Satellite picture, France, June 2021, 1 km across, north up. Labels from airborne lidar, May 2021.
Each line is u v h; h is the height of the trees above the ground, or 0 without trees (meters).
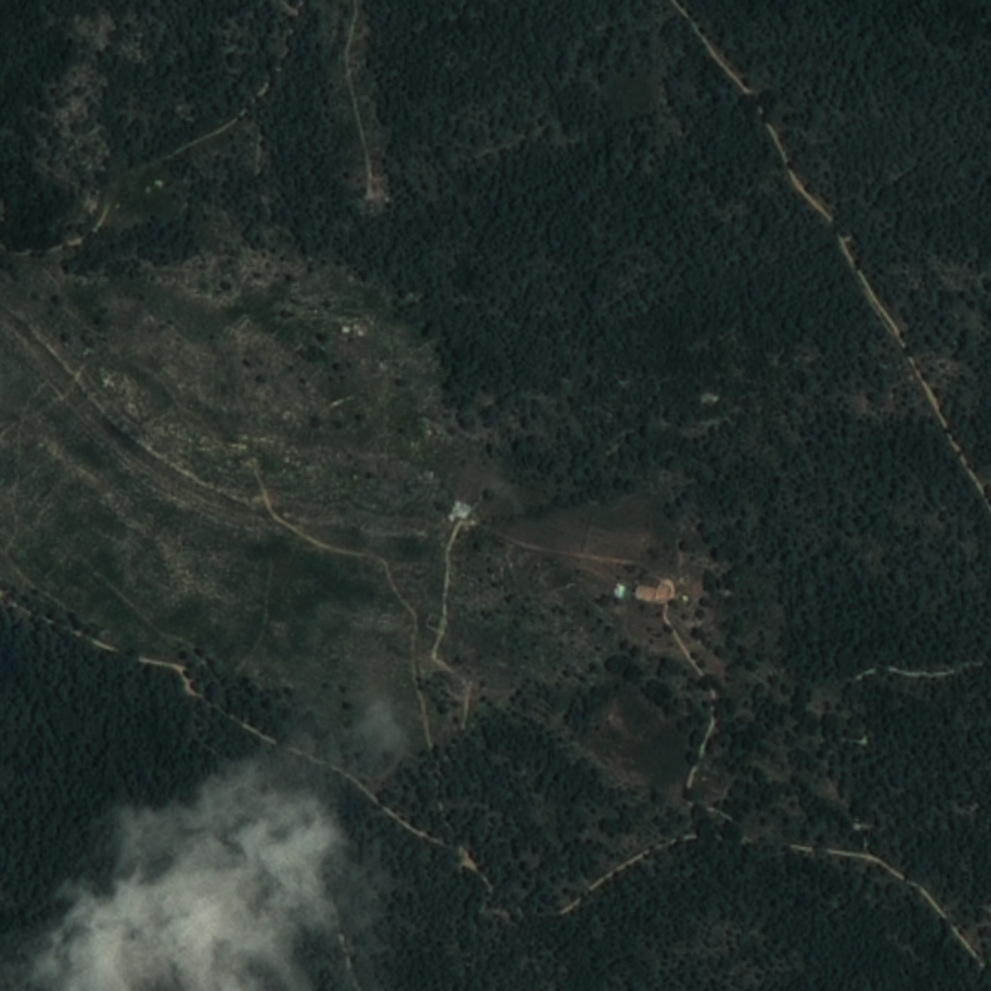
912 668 11
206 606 0
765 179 8
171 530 0
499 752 17
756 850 14
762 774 10
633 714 0
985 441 15
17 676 16
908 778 15
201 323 0
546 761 11
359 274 8
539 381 15
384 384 0
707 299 19
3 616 16
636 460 9
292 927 10
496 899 16
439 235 14
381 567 0
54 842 10
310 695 0
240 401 0
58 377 0
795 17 17
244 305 0
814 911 17
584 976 18
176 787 12
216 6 10
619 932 11
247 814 9
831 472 15
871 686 10
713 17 12
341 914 14
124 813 11
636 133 10
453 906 14
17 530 0
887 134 11
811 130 13
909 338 12
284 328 0
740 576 8
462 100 12
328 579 0
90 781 11
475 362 17
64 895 16
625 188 16
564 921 15
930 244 9
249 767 16
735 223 14
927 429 18
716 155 17
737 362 6
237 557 0
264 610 0
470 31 14
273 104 10
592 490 10
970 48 13
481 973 14
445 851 15
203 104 14
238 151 11
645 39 14
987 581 10
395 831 13
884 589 16
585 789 14
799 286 16
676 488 7
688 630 0
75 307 0
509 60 16
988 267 12
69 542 0
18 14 12
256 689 17
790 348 10
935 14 15
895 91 12
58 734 18
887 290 17
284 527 0
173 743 12
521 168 19
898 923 12
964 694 13
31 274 0
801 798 7
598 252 15
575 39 15
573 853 12
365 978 16
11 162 8
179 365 0
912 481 14
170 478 0
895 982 15
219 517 0
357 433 0
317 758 14
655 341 7
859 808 16
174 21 12
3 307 0
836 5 15
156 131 8
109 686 11
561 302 12
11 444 0
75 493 0
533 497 0
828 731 11
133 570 0
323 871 15
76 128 11
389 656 0
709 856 16
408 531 0
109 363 0
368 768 15
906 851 14
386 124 15
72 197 6
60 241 14
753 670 11
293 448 0
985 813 13
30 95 9
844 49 14
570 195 10
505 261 10
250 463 0
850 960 14
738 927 12
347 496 0
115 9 13
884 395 8
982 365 12
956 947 11
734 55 11
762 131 12
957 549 12
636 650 9
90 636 22
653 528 0
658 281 8
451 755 16
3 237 11
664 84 10
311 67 15
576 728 10
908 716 12
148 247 7
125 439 0
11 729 14
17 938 13
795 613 18
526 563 0
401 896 9
